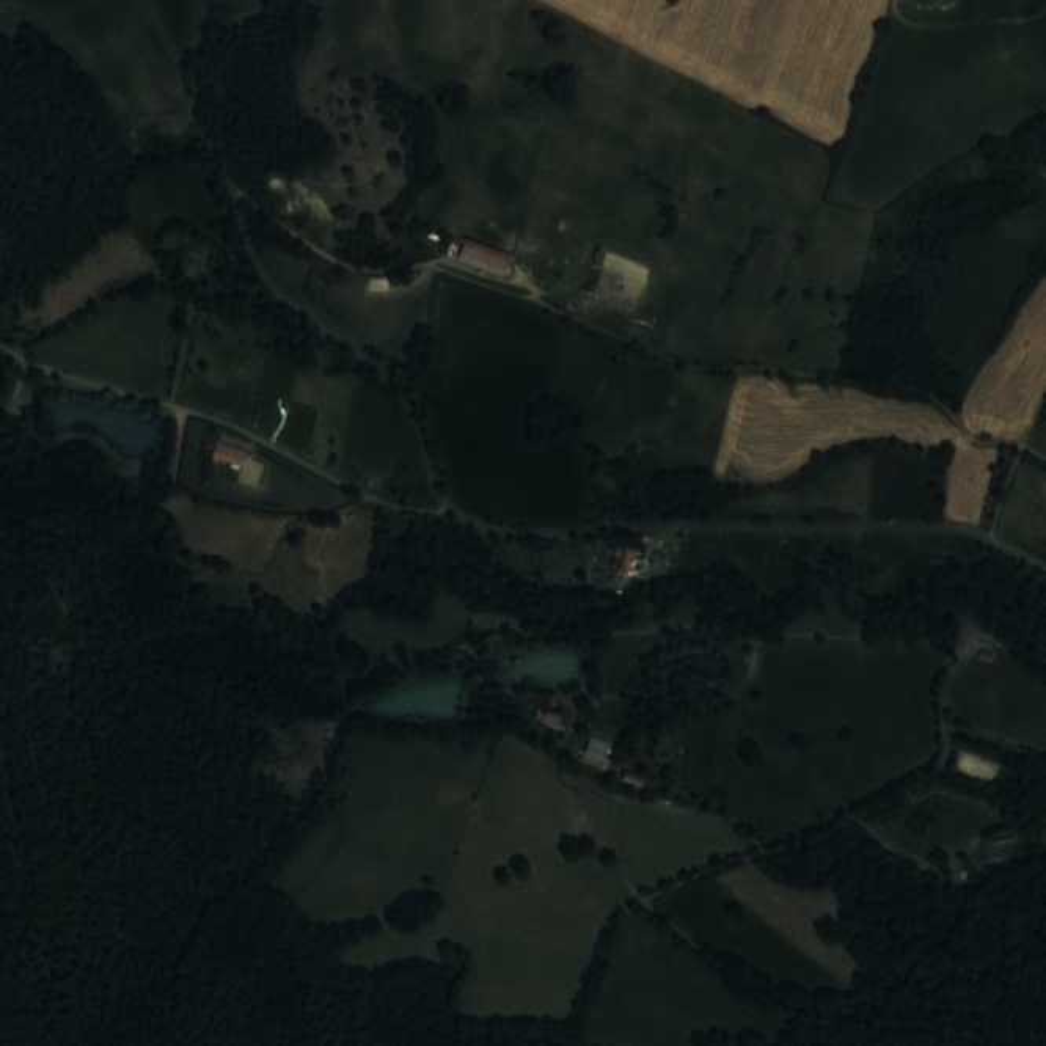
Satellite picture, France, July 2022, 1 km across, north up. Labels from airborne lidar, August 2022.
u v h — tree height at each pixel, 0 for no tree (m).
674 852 0
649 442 0
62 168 7
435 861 0
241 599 0
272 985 20
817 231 0
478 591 9
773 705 0
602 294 0
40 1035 14
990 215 15
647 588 8
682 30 0
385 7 0
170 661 7
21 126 14
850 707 0
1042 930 21
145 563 12
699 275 0
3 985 14
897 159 0
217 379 0
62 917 10
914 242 14
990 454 0
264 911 24
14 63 21
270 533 0
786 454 0
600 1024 0
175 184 0
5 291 18
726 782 0
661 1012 0
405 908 21
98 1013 19
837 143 8
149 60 0
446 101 18
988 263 0
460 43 0
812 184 0
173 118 0
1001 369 0
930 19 0
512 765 0
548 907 0
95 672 18
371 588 11
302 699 9
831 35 0
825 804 0
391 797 0
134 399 11
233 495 0
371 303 0
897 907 9
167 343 0
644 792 8
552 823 0
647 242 0
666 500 17
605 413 0
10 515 11
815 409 0
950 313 0
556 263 0
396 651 0
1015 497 0
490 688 15
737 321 0
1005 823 8
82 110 21
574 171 0
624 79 0
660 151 0
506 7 0
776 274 0
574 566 0
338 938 24
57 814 9
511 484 0
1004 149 13
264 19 11
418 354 18
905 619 19
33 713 16
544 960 0
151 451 12
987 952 21
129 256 0
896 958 20
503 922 0
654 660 11
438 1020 25
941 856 14
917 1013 14
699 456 0
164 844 10
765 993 31
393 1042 21
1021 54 0
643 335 0
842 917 16
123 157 9
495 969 0
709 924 0
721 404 0
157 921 10
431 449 11
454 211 0
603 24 0
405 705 0
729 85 0
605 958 13
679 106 0
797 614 16
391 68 0
